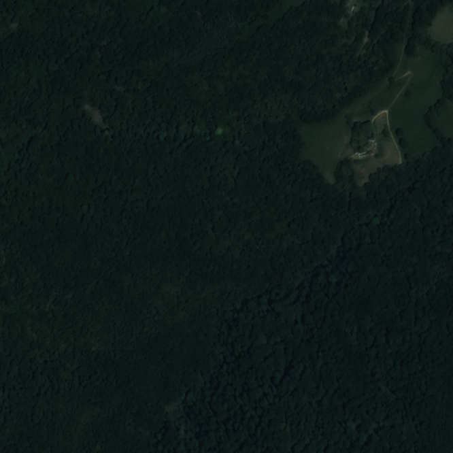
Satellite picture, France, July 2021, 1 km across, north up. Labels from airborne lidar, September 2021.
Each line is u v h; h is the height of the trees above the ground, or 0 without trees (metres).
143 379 24
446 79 21
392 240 27
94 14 7
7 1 14
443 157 32
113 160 21
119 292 22
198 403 26
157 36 23
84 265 21
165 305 9
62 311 18
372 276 34
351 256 30
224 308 27
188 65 11
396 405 29
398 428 33
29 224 12
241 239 24
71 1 12
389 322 27
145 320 16
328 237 27
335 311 26
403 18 13
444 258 31
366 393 27
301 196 20
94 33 26
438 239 23
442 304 25
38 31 9
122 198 24
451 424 31
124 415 25
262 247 25
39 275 17
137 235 16
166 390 25
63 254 16
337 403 26
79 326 18
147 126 28
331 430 27
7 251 22
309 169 15
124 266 22
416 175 32
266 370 36
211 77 17
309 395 37
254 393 35
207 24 21
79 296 17
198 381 34
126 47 25
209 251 30
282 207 24
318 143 0
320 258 27
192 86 9
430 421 20
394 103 0
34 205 10
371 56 13
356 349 31
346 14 13
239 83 17
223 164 18
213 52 11
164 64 13
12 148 8
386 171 19
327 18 18
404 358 33
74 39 24
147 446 25
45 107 14
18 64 28
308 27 16
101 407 11
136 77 29
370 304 31
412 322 33
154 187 25
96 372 21
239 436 45
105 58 26
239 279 21
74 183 11
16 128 9
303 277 24
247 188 12
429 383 19
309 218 25
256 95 23
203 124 27
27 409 24
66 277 17
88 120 28
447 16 0
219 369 14
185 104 25
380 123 0
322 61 26
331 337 33
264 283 35
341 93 25
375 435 33
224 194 29
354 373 29
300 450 36
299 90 26
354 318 31
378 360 26
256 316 29
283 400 34
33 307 19
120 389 19
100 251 14
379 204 30
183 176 23
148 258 22
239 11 21
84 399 15
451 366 25
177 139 26
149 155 20
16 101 15
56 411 12
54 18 15
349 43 11
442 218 22
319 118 20
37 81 11
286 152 26
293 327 39
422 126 0
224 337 32
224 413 39
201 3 19
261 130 22
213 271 16
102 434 25
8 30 9
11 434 11
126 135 28
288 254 28
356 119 0
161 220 26
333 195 25
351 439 26
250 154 34
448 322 25
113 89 22
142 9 11
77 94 23
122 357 16
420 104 0
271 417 34
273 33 19
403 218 29
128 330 17
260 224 16
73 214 12
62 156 25
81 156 11
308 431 34
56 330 16
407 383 26
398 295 29
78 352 21
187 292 26
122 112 36
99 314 19
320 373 28
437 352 27
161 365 23
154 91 28
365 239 26
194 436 10
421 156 9
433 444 20
